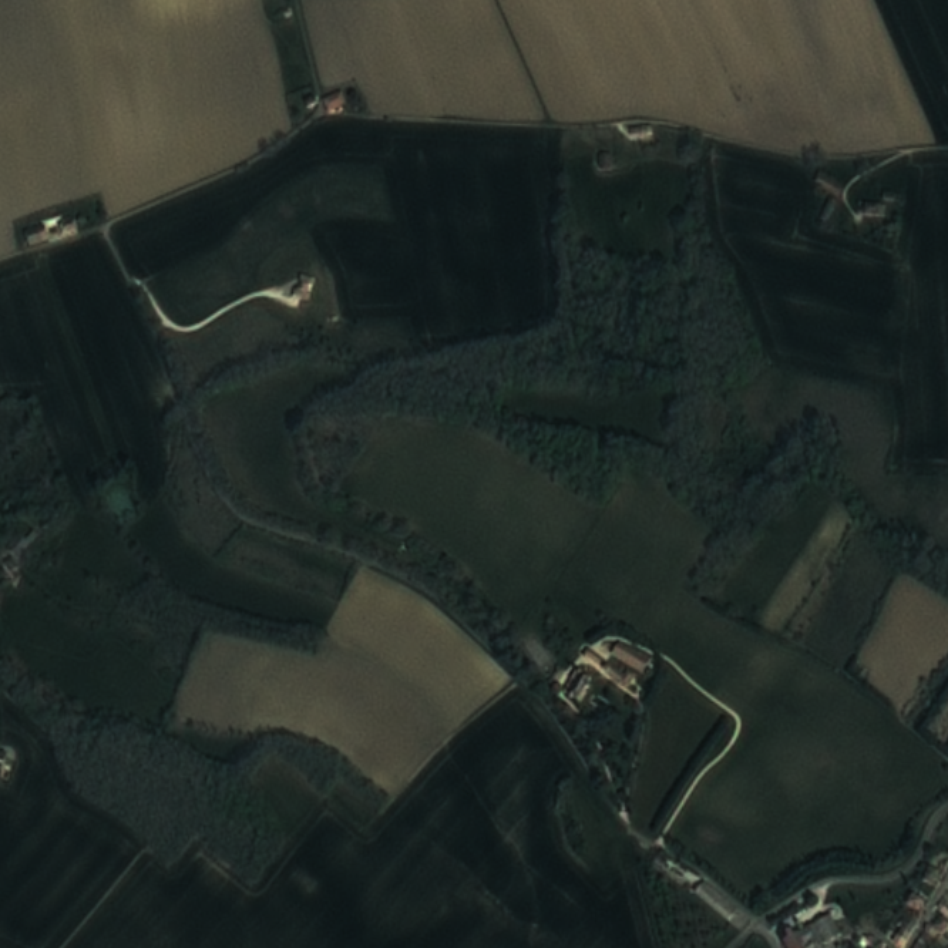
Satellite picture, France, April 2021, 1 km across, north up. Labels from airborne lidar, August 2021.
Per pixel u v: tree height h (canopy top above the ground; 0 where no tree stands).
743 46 0
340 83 0
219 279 0
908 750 0
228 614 18
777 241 0
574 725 9
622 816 0
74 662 0
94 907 0
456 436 0
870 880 0
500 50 0
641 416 0
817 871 15
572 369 14
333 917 0
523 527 0
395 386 23
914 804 0
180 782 21
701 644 0
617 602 0
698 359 18
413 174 0
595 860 0
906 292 0
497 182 0
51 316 0
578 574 0
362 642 0
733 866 0
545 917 0
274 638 16
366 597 0
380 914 0
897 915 8
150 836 16
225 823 23
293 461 0
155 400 0
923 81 0
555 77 0
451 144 0
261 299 0
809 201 0
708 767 0
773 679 0
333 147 0
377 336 0
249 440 0
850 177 0
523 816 0
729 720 11
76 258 0
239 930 0
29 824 0
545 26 0
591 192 0
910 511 0
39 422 10
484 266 0
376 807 12
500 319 0
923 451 0
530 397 0
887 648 0
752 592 0
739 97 0
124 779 21
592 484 18
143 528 0
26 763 0
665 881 10
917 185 0
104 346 0
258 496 0
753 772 0
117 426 0
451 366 19
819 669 0
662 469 17
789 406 0
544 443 14
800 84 0
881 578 0
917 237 0
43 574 9
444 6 0
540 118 0
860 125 0
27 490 10
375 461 0
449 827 0
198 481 6
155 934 0
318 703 0
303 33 0
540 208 0
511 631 13
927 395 0
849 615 0
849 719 0
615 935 0
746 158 0
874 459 0
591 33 0
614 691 9
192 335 0
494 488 0
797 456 18
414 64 0
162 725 11
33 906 0
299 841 0
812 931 0
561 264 19
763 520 15
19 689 17
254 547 0
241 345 0
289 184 0
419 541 9
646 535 0
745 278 0
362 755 0
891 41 0
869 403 0
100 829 0
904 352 0
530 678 13
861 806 0
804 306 0
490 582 0
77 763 16
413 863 0
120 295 0
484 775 0
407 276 0
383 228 0
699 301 21
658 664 10
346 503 10
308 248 0
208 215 0
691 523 0
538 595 0
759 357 16
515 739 0
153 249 0
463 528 0
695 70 0
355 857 0
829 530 0
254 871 20
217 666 0
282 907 0
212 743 0
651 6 0
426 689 0
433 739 0
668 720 0
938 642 0
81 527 0
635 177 0
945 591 20
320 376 0
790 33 0
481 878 0
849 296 0
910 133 0
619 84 0
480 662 0
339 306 0
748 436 7
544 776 0
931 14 0
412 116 0
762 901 11
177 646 12
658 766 0
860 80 0
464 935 0
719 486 22
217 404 0
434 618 0
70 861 0
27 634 0
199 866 0
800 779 0
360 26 0
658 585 0
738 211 0
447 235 0
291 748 16
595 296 13
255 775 17
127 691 0
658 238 0
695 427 21
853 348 0
